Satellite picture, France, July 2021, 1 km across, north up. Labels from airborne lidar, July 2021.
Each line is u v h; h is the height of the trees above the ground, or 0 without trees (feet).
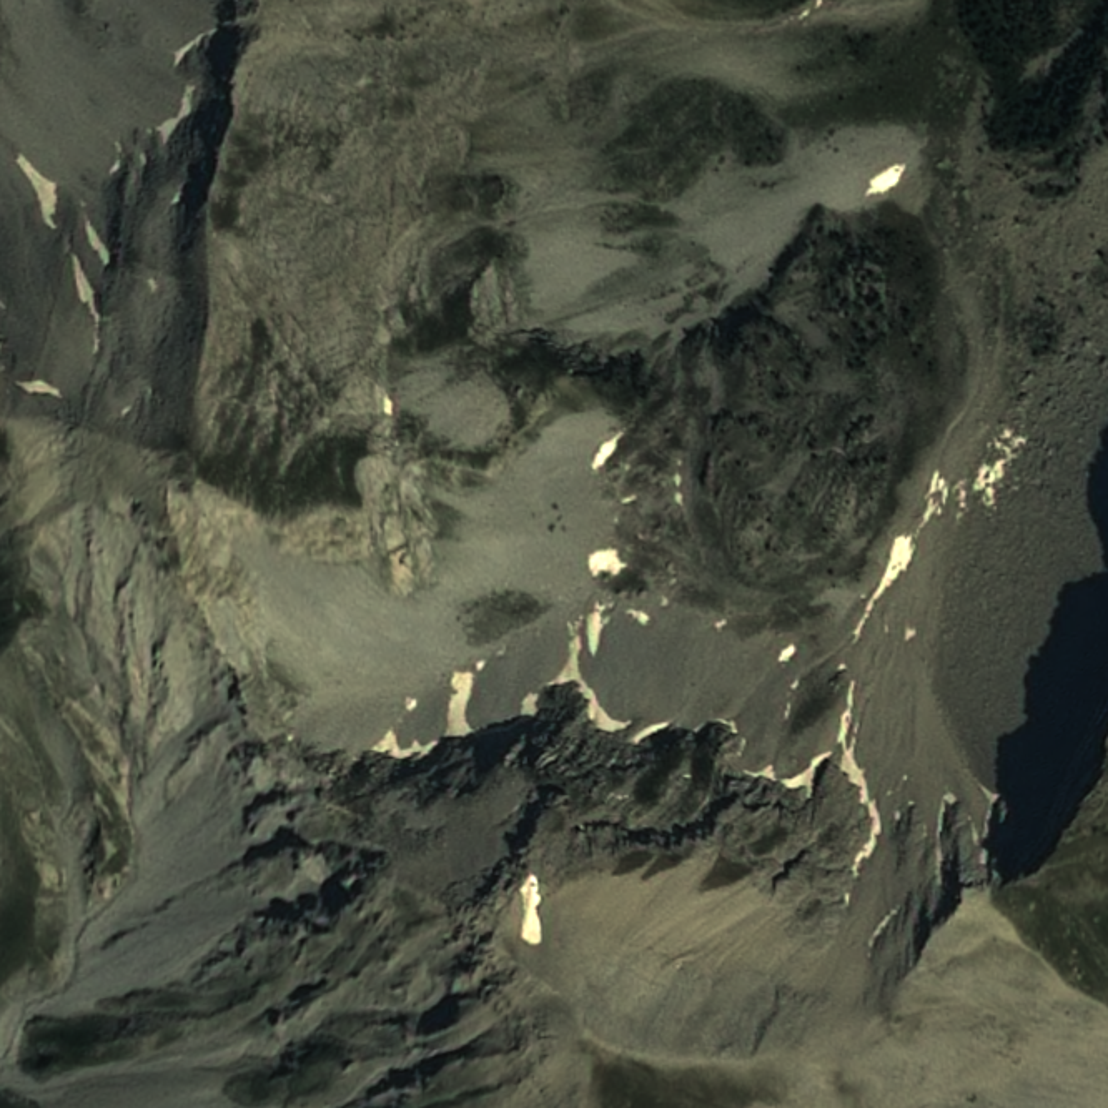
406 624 0
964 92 0
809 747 0
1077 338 0
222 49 0
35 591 0
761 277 0
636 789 0
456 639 0
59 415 0
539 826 0
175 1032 0
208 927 0
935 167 0
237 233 0
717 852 0
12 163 0
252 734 0
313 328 0
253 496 0
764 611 0
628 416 0
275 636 0
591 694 0
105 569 0
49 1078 0
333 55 0
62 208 0
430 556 0
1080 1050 0
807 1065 0
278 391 0
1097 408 0
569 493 0
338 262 0
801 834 0
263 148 0
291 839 0
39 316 0
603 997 0
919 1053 0
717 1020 0
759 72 0
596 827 0
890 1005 0
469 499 0
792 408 0
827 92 0
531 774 0
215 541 0
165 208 0
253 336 0
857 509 0
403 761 0
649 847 0
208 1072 0
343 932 0
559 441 0
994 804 0
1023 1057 0
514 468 0
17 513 0
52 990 0
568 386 0
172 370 0
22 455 0
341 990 0
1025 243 0
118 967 0
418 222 0
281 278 0
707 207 0
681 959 0
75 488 0
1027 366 0
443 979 0
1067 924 0
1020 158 0
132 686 0
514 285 0
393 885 0
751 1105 0
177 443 0
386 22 0
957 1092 0
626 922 0
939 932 0
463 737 0
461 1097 0
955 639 0
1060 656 0
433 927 0
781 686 0
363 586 0
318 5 0
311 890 0
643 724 0
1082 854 0
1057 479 0
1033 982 0
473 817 0
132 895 0
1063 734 0
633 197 0
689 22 0
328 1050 0
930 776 0
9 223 0
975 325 0
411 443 0
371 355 0
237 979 0
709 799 0
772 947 0
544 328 0
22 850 0
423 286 0
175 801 0
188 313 0
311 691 0
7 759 0
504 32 0
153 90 0
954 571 0
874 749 0
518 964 0
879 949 0
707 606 0
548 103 0
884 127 0
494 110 0
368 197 0
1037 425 0
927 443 0
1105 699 0
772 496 0
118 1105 0
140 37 0
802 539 0
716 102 0
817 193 0
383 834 0
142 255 0
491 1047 0
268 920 0
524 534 0
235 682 0
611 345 0
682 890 0
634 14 0
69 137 0
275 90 0
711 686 0
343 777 0
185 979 0
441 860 0
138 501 0
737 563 0
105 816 0
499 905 0
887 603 0
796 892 0
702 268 0
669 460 0
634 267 0
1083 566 0
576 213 0
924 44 0
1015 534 0
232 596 0
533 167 0
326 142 0
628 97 0
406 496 0
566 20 0
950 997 0
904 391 0
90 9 0
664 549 0
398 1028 0
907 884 0
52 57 0
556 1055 0
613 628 0
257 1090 0
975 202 0
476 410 0
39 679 0
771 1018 0
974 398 0
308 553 0
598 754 0
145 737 0
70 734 0
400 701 0
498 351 0
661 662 0
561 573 0
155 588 0
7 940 0
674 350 0
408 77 0
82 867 0
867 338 44
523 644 0
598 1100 0
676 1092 0
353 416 0
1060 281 0
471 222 0
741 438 0
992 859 0
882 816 0
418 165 0
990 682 0
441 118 0
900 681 0
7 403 0
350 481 0
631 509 0
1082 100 67
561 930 0
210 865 0
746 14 0
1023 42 23
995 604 0
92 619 0
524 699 0
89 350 0
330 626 0
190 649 0
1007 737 0
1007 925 0
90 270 0
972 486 0
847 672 0
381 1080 0
